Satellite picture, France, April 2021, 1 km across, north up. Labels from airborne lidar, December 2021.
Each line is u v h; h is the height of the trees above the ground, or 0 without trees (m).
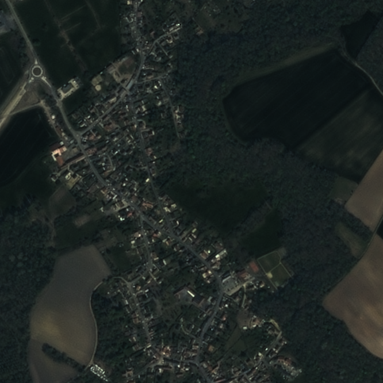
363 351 17
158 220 8
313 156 0
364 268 0
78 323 0
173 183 6
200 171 17
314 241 27
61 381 0
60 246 0
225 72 25
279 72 0
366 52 20
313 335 13
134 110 0
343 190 0
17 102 0
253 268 0
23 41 9
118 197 7
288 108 0
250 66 22
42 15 0
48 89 0
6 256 28
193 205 0
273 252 0
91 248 0
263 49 22
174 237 0
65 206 0
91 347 0
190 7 0
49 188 0
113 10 0
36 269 27
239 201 0
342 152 0
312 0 24
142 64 0
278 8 12
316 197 25
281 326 19
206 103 19
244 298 0
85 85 0
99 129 0
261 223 23
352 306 0
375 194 0
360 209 0
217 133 22
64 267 0
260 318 17
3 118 0
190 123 21
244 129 0
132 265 7
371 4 23
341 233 0
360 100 0
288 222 22
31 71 0
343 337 22
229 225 0
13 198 0
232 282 0
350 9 30
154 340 5
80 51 0
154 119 16
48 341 0
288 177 20
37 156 0
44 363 0
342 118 0
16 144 0
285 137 0
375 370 16
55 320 0
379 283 0
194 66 26
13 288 27
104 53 0
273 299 23
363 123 0
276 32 29
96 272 0
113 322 9
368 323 0
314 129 0
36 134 0
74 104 0
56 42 0
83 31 0
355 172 0
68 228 0
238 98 0
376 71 19
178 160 19
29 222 37
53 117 0
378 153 0
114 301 22
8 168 0
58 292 0
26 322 36
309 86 0
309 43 22
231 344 0
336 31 24
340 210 19
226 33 0
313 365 19
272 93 0
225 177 18
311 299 18
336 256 21
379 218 0
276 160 19
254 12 9
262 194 0
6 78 0
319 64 0
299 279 20
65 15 0
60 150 0
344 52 18
